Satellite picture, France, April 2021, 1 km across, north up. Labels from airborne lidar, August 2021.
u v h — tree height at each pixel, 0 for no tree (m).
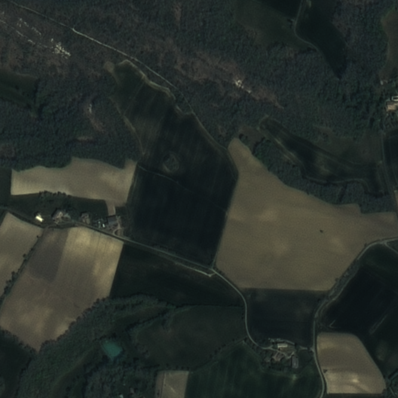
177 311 11
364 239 0
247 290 0
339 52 0
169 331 11
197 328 0
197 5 14
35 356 12
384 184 0
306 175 0
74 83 14
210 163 0
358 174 0
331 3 0
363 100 20
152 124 0
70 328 12
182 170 0
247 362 0
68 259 0
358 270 13
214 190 0
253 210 0
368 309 0
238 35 11
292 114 16
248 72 8
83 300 0
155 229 0
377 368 0
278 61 16
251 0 0
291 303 0
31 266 0
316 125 13
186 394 0
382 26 10
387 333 0
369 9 12
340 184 0
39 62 8
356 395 0
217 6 21
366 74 13
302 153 0
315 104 15
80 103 5
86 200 0
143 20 7
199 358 0
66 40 9
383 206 19
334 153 0
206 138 0
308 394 0
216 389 0
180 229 0
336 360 0
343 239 0
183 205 0
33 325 0
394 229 0
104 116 11
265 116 17
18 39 7
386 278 0
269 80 9
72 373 0
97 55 6
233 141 0
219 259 0
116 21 7
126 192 0
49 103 10
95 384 20
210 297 0
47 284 0
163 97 0
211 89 10
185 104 12
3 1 8
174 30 11
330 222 0
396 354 0
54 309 0
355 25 15
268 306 0
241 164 0
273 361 8
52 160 21
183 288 0
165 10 9
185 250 0
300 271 0
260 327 0
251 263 0
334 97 19
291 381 0
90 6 6
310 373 0
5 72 0
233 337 0
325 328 0
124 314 19
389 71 0
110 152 19
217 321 0
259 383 0
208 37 16
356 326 0
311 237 0
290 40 0
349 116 19
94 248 0
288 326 0
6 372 0
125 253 0
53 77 11
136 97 0
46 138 21
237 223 0
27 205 0
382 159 0
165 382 0
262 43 0
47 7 12
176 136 0
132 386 0
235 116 11
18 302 0
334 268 0
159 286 0
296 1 0
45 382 12
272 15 0
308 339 0
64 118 23
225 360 0
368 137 0
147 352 10
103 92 13
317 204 0
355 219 0
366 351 0
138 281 0
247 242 0
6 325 0
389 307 0
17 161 13
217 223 0
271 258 0
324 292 0
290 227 0
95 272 0
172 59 6
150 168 0
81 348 6
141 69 13
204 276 0
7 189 0
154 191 0
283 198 0
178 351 0
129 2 9
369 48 21
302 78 15
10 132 14
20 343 10
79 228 0
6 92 0
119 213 0
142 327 6
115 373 15
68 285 0
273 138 0
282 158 19
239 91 8
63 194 8
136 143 15
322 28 0
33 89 0
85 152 15
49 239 0
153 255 0
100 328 21
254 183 0
